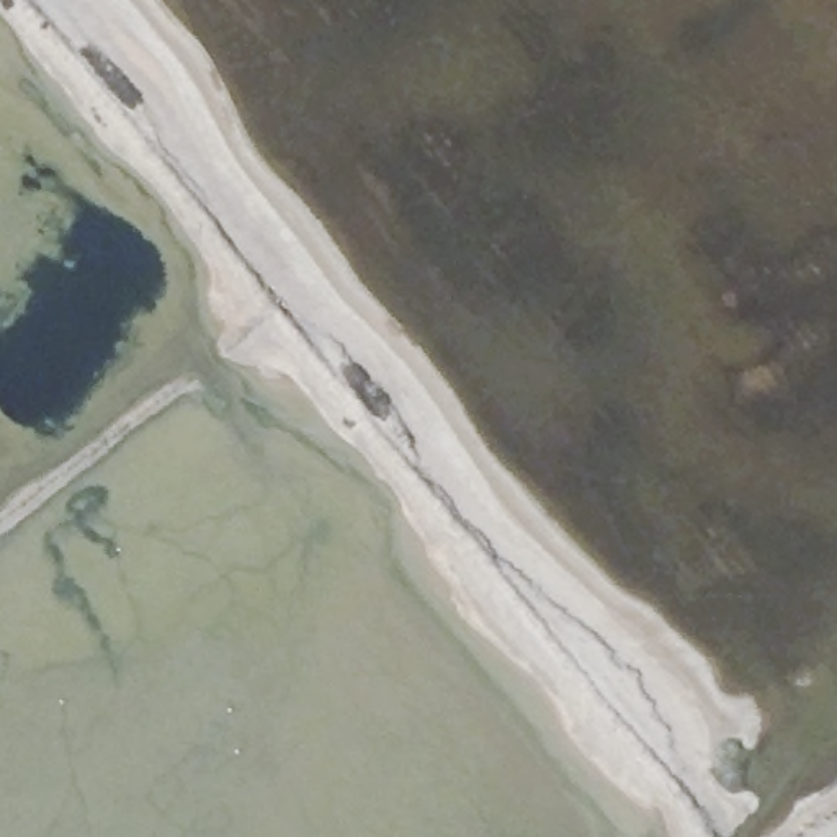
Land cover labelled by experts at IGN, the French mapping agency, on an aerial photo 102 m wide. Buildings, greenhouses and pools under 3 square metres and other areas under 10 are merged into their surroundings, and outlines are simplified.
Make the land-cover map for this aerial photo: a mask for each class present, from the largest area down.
<instances>
[{"label":"water","instance_id":"1","mask_svg":"<svg viewBox=\"0 0 837 837\"><path fill-rule=\"evenodd\" d=\"M213 59V69L226 82V92L258 157L271 167L278 180H284L307 203V209L324 222V229L330 232L333 245L343 252L363 288L389 311L402 333L425 350V356L448 379V386L461 399L468 419L474 422L484 445L497 454V461L539 500V507L615 585L654 605L670 621V628H677L713 664L723 693L752 696L762 716V732L755 745L749 749L742 739H726L719 745V759L713 762L716 785L729 791H752L759 798L755 814H749L732 830V837H765L788 817L794 801L824 791L837 781V0H160ZM209 268L173 222L163 199L124 160H118L105 144L95 141V134L82 124L69 98L62 95V88L46 78V72L23 49L20 36L0 20V504L20 487L46 477L62 461L78 454L118 415L131 412L160 386L173 379L203 383L199 392L173 399L147 422L131 428L101 461H95L69 487L52 494L26 520H20L16 526H7L0 520V837H670L664 811L638 804L618 785H611L589 759H582L559 723L556 706L543 696L539 683L526 677L520 667H513L464 618H458L451 605V582L428 559L422 536L405 523L392 487L373 477L363 451L340 441L330 432V425L294 386L291 376H262L255 366L229 363L219 356L216 340L222 324L209 314L206 301Z\"/></svg>","mask_w":837,"mask_h":837},{"label":"pervious surface","instance_id":"2","mask_svg":"<svg viewBox=\"0 0 837 837\"><path fill-rule=\"evenodd\" d=\"M0 20L20 36L23 49L46 72V78L62 88V95L69 98L82 124L95 134V141L105 144L118 160H124L163 199L173 222L209 268L206 301L209 314L222 324L216 340L219 356L229 363L255 366L262 376H291L294 386L330 425V432L340 441L363 451L373 477L392 487L405 523L422 536L428 559L451 582V605L458 618H464L513 667H520L526 677L539 683L543 696L556 706L559 723L582 759H589L611 785H618L638 804L664 811L670 837H732V830L749 814H755L759 798L752 791H729L716 785L713 762L719 759V745L726 739H742L749 749L755 745L762 732V716L752 696L723 693L713 664L677 628H670V621L654 605L615 585L539 507V500L497 461V454L484 445L474 422L468 419L461 399L448 386V379L425 356V350L402 333L389 311L363 288L343 252L333 245L330 232L324 229V222L307 209V203L284 180H278L271 167L258 157L226 92V82L213 69V59L160 0H0ZM85 46L98 49L137 85L141 105H121L101 85V78L82 59ZM167 150H173L180 167L199 183L226 229L265 271V278L291 304V311L311 327L317 343L304 347L291 324L265 301V294L255 288L245 268L229 255V248L213 232L209 219L190 203V196L157 160ZM350 363L366 366V373L389 392V415L376 419L363 409V402L343 379V366ZM203 383L173 379L160 386L131 412L118 415L78 454L62 461L46 477L20 487L0 504V520L7 526H16L20 520H26L52 494L69 487L95 461H101L131 428L147 422L173 399L199 392ZM765 837H837V781L824 791L794 801L788 817Z\"/></svg>","mask_w":837,"mask_h":837},{"label":"brushwood","instance_id":"3","mask_svg":"<svg viewBox=\"0 0 837 837\"><path fill-rule=\"evenodd\" d=\"M82 59L101 78V85L121 105H141L137 85L98 49L85 46ZM157 160L190 196V203L209 219L213 232L229 248V255L245 268L255 288L265 294V301L291 324L304 347L317 343L311 327L291 311V304L265 278V271L226 229L199 183L180 167L173 150H167ZM343 379L363 402V409L376 419L389 415V392L366 373V366L350 363L343 366Z\"/></svg>","mask_w":837,"mask_h":837}]
</instances>
